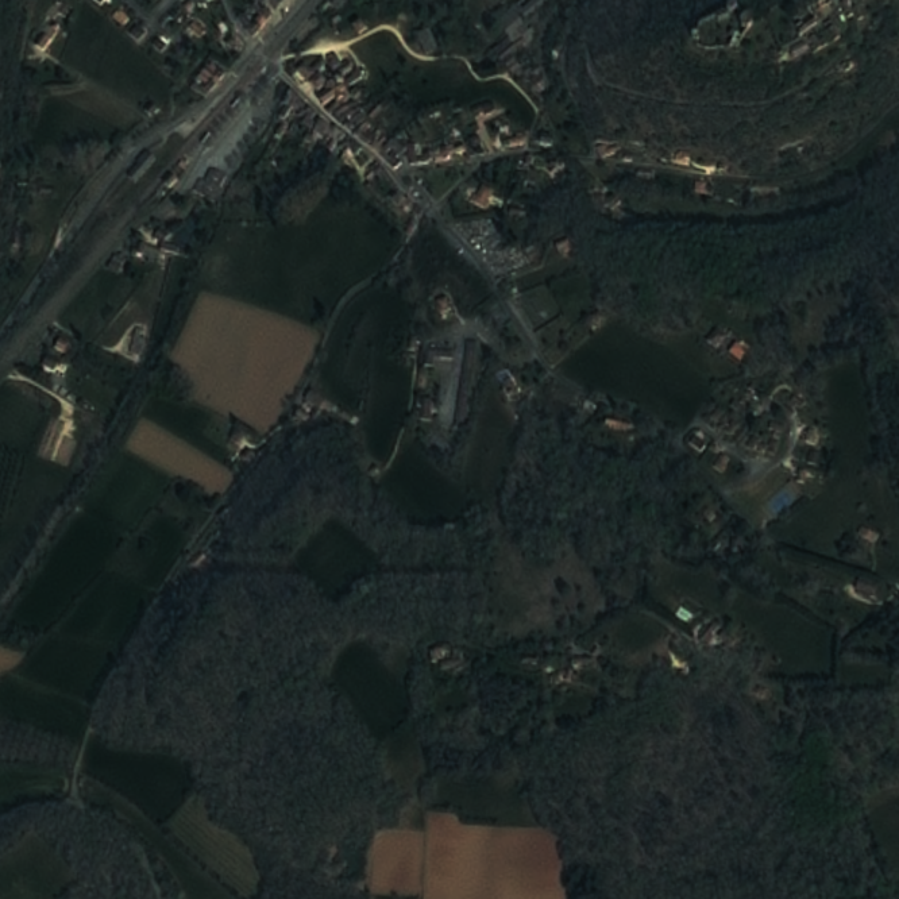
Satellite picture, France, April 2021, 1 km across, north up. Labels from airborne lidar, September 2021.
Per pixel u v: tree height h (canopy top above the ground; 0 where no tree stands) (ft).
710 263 89
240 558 46
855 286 47
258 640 53
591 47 36
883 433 63
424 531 60
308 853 79
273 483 58
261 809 75
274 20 0
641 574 57
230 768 55
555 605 36
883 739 83
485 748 50
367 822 67
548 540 77
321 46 0
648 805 42
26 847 0
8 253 37
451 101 29
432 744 65
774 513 0
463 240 0
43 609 0
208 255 38
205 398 0
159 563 0
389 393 0
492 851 0
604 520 50
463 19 37
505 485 25
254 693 54
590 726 47
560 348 27
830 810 66
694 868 91
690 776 34
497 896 0
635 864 73
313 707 84
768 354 71
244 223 24
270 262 0
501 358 31
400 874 0
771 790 47
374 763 81
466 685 39
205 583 45
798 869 52
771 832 78
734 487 0
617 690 20
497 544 62
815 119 43
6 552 0
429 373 26
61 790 0
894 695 46
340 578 0
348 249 0
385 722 0
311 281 0
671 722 56
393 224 33
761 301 70
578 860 76
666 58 28
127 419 43
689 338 0
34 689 0
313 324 19
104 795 0
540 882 0
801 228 63
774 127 36
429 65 0
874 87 54
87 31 0
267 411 0
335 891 50
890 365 65
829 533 0
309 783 87
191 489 25
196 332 0
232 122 32
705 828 68
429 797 69
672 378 0
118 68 0
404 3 44
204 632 34
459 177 28
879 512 0
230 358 0
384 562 36
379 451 0
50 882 0
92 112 0
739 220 0
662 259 69
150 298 0
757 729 45
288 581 44
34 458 0
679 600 0
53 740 67
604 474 72
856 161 0
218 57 32
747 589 40
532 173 50
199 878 0
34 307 21
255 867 23
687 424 0
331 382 0
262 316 0
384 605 45
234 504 45
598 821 78
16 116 63
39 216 0
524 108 0
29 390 0
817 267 56
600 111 35
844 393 0
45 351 24
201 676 63
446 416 0
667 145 32
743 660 62
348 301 0
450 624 45
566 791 73
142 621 52
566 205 66
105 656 0
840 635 44
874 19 25
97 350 27
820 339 0
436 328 58
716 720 41
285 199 91
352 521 56
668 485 93
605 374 0
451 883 0
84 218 0
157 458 0
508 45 0
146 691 30
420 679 67
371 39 0
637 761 51
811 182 0
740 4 40
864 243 62
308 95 0
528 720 39
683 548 57
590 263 71
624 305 71
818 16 21
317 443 50
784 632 0
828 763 55
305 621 65
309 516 52
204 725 68
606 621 48
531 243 22
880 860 44
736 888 80
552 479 54
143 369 35
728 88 27
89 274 0
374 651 48
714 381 32
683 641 57
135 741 50
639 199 64
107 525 0
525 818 0
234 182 25
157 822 21
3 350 45
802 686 45
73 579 0
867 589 0
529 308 0
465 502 0
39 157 21
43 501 0
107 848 60
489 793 0
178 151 0
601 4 55
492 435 0
